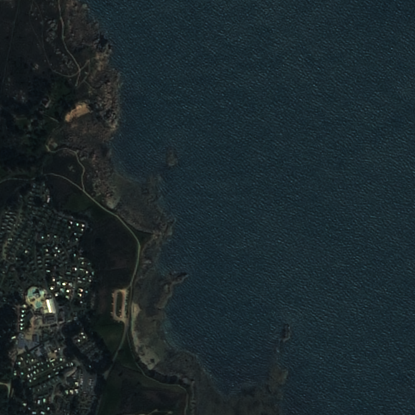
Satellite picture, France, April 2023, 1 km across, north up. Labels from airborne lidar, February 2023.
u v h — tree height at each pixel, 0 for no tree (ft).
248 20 0
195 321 0
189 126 0
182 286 0
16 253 0
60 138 0
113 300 0
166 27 0
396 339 0
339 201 0
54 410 29
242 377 0
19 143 37
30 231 0
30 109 47
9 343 69
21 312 0
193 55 0
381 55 0
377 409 0
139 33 0
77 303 38
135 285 0
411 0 0
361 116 0
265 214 0
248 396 0
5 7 0
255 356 0
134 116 0
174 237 0
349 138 0
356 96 0
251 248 0
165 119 0
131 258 0
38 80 35
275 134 0
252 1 0
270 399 0
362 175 0
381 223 0
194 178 0
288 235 0
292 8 0
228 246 0
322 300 0
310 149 0
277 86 0
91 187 0
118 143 0
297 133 0
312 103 0
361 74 0
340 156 0
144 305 0
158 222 0
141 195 0
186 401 0
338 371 0
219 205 0
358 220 0
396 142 0
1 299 20
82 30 0
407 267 0
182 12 0
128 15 0
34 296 0
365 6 0
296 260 0
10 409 49
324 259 0
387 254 0
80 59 0
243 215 0
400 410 0
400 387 0
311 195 0
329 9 0
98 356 25
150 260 0
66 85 34
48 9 0
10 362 36
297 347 0
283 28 0
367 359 0
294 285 0
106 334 0
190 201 0
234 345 0
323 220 0
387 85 0
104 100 0
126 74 0
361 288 0
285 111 0
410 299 0
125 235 0
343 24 0
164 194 0
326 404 0
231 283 0
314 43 0
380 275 0
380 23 0
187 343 0
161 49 0
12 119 46
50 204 31
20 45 0
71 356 60
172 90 0
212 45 0
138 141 0
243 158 0
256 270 0
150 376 0
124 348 0
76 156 0
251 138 0
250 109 0
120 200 0
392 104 0
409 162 0
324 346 0
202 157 0
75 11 0
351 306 0
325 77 0
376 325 0
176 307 0
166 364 0
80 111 0
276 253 0
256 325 0
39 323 0
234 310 0
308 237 0
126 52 0
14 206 67
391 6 0
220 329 0
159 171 0
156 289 0
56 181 0
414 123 0
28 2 0
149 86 0
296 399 0
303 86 0
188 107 0
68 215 28
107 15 0
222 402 0
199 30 0
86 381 0
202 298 0
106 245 0
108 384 0
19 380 23
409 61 0
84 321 57
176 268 0
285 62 0
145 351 0
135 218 0
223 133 0
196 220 0
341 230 0
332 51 0
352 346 0
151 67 0
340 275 0
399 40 0
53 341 39
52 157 22
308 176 0
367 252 0
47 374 0
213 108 0
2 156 68
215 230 0
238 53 0
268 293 0
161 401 0
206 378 0
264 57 0
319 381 0
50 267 35
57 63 0
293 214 0
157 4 0
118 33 0
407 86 0
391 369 0
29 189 30
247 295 0
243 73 0
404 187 0
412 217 0
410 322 0
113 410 0
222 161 0
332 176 0
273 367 0
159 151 0
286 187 0
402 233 0
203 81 0
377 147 0
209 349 0
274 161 0
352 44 0
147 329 0
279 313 0
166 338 0
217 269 0
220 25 0
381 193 0
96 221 0
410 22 0
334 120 0
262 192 0
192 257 0
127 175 0
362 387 0
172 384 0
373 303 0
